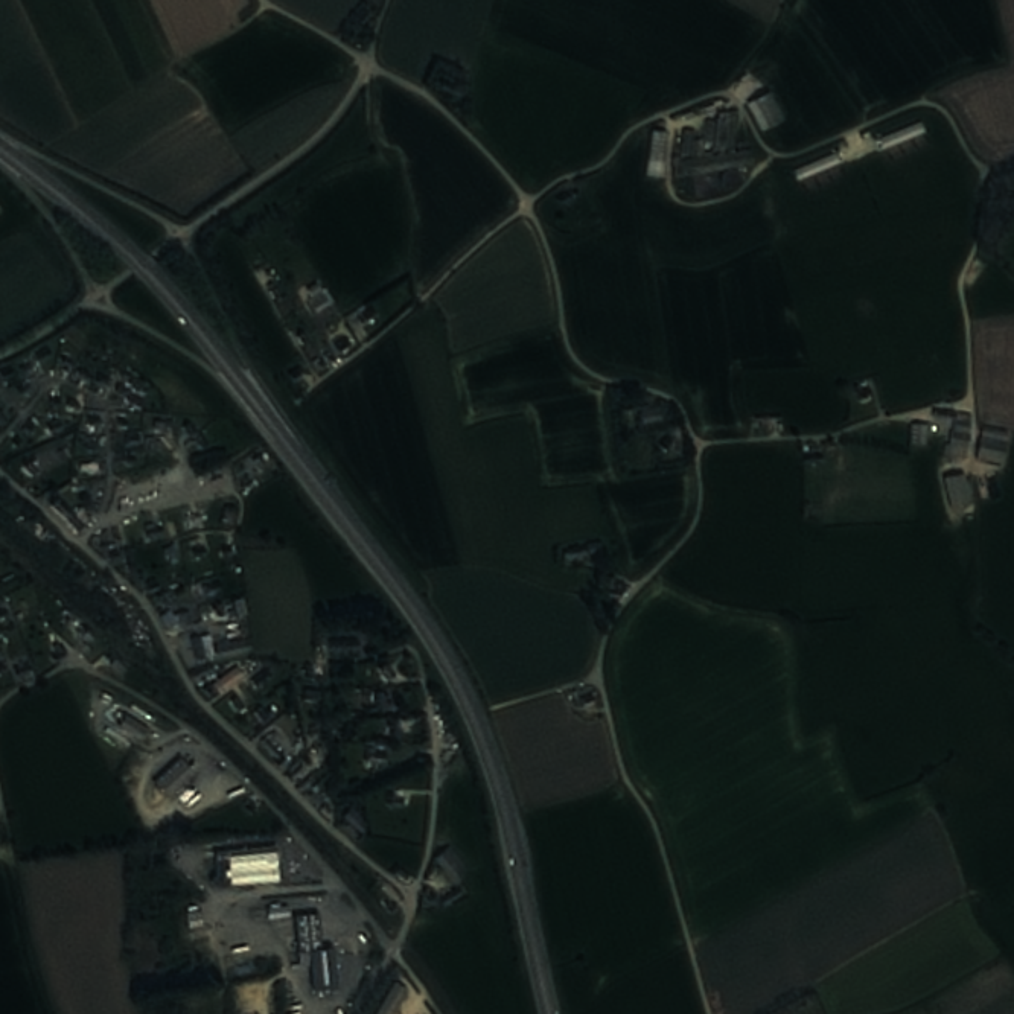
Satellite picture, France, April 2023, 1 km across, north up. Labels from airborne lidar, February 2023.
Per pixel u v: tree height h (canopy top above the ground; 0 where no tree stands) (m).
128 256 0
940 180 0
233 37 0
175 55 0
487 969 0
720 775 0
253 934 0
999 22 0
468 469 0
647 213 0
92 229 0
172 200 0
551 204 0
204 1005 0
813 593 0
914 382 0
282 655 0
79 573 7
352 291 0
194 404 0
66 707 0
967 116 0
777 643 0
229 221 7
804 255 0
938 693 0
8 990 0
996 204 15
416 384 0
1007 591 0
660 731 0
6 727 0
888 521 0
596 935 0
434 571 0
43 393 0
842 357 0
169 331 0
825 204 0
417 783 0
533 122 0
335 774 7
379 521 0
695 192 0
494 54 0
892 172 0
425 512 0
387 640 7
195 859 0
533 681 0
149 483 0
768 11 0
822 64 0
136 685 0
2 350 10
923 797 0
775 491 0
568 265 0
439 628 0
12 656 0
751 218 0
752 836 0
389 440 0
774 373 0
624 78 0
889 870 0
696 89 0
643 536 0
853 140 0
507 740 0
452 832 0
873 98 0
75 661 0
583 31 0
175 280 9
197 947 0
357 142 0
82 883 0
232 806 0
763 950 0
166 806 0
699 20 0
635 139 0
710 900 0
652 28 0
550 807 0
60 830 0
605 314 0
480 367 0
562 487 0
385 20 0
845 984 0
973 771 0
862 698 0
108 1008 0
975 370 0
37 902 0
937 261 0
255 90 0
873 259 0
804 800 0
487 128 0
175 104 0
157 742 0
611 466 0
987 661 0
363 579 0
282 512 0
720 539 0
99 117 0
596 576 9
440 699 7
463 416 0
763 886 0
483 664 0
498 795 0
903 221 0
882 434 0
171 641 0
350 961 0
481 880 0
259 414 0
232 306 8
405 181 0
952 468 0
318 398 0
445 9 0
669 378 0
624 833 0
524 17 0
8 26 0
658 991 0
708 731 0
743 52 0
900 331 0
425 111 0
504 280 0
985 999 0
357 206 0
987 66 0
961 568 0
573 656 0
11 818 8
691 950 0
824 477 0
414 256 0
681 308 0
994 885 0
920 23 0
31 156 0
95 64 0
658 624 0
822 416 0
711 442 0
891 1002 0
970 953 0
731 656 0
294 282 9
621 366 0
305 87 0
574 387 0
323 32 0
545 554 0
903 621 0
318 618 14
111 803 0
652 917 0
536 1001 0
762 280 0
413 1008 0
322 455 0
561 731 0
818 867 0
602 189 0
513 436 0
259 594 0
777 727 0
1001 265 8
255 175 7
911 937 0
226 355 0
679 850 0
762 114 0
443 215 0
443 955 0
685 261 0
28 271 0
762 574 0
